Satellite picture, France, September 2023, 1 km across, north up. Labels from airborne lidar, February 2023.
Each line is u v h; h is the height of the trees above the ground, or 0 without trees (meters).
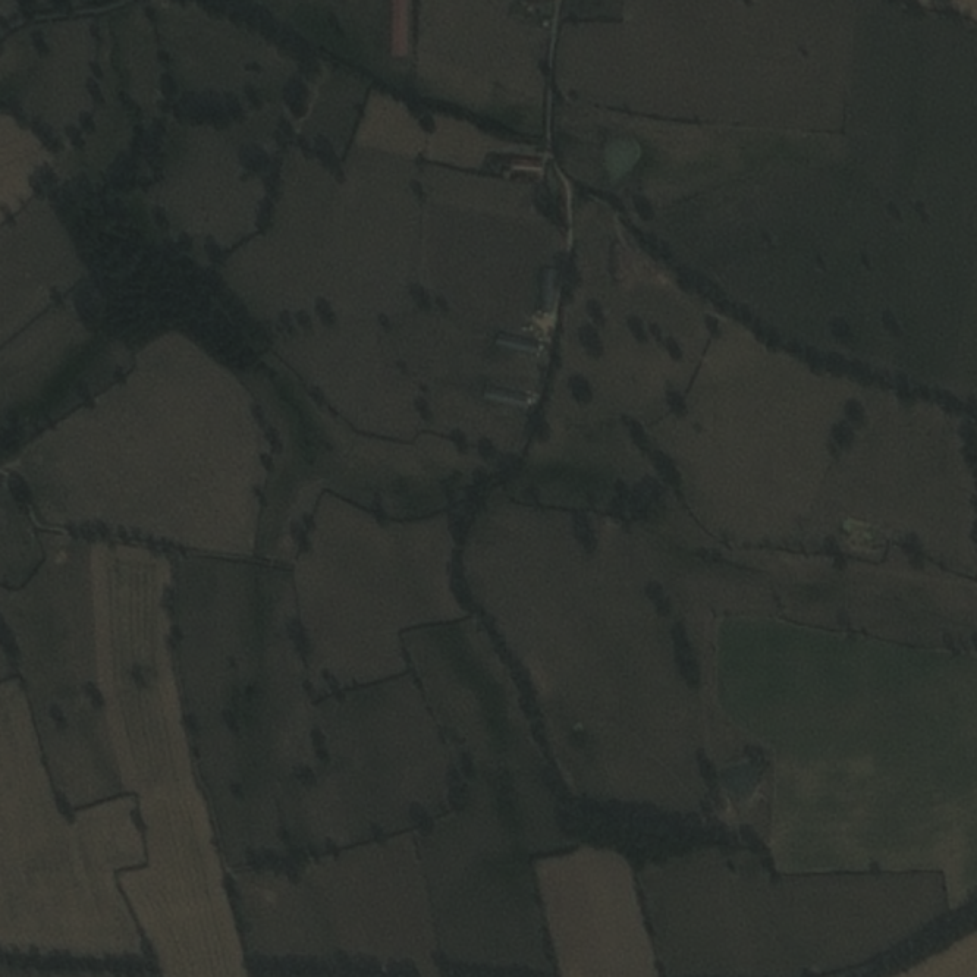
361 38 0
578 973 0
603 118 0
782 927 0
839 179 0
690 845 14
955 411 13
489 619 12
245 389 0
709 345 0
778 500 0
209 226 0
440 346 0
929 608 0
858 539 0
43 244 0
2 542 0
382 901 0
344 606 0
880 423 0
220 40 0
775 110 0
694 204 0
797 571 0
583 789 0
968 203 0
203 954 0
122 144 0
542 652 0
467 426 0
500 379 0
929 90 0
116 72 0
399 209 0
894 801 0
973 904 15
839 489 0
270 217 13
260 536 0
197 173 0
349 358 0
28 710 0
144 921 0
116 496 0
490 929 0
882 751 0
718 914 0
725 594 0
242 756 0
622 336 0
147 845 0
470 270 0
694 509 0
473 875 0
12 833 0
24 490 20
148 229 0
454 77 0
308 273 0
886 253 0
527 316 0
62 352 0
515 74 0
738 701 0
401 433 0
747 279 0
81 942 0
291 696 0
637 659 0
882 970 14
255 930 0
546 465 0
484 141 0
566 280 16
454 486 0
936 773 0
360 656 0
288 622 0
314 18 0
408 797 0
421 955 0
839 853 0
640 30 0
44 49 16
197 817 0
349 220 0
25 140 0
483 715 0
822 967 0
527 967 0
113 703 0
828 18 0
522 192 0
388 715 0
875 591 0
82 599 0
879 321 0
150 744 0
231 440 0
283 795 0
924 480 0
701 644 0
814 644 0
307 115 0
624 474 0
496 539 0
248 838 0
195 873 0
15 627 0
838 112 0
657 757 0
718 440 0
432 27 0
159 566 0
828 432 0
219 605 0
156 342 0
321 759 15
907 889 0
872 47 0
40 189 19
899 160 0
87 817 0
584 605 0
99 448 0
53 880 0
